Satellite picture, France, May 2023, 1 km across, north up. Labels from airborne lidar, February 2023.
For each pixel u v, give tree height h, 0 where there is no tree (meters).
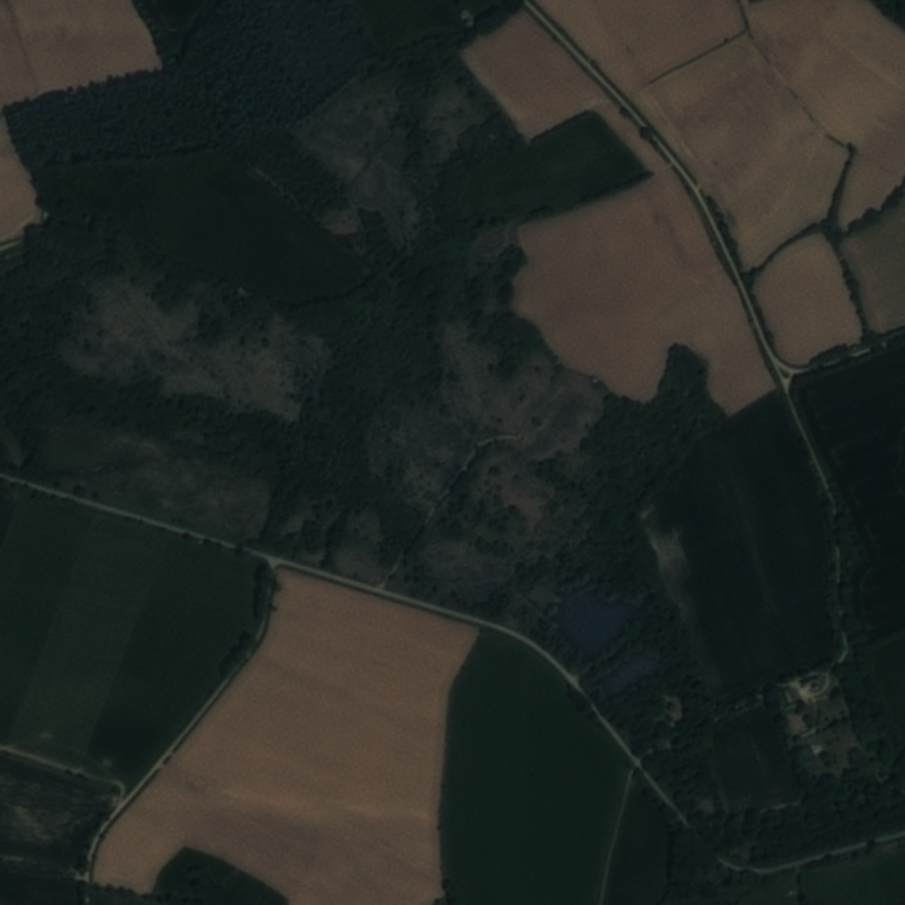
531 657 0
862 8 0
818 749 0
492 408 0
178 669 0
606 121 0
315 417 9
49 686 0
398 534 10
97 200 0
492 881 0
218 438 6
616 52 0
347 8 18
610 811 0
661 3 0
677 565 0
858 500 0
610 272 0
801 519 0
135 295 0
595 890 0
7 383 8
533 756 0
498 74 0
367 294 9
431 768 0
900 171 0
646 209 0
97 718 0
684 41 0
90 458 0
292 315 9
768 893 0
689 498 0
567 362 0
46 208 15
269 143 5
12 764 0
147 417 0
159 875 0
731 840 10
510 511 7
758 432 0
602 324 0
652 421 10
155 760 0
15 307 13
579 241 0
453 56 6
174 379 0
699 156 0
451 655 0
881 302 0
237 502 0
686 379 9
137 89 23
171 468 0
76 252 7
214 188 0
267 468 0
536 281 0
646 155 0
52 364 13
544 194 0
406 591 0
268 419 7
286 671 0
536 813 0
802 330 0
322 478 14
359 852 0
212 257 0
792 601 0
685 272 0
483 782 0
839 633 6
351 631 0
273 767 0
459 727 0
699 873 9
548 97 0
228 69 21
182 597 0
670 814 14
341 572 0
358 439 6
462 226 10
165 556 0
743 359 0
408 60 6
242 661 14
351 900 0
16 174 0
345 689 0
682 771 14
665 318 0
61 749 0
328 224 0
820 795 14
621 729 15
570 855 0
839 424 0
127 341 0
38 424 9
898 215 0
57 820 0
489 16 15
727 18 0
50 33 0
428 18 0
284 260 0
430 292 8
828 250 0
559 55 0
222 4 11
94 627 0
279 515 12
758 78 0
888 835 11
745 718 0
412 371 7
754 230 0
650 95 0
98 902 0
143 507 0
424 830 0
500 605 8
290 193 6
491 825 0
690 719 9
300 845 0
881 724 14
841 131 0
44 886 0
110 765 0
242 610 0
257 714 0
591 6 0
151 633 0
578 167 0
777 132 0
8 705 0
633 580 10
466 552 0
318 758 0
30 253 8
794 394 8
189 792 0
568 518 0
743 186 0
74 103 22
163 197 0
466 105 0
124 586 0
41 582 0
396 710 0
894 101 0
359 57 20
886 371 0
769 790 0
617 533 8
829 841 14
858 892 0
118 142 21
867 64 0
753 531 0
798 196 0
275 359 0
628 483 7
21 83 0
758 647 0
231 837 0
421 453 0
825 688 0
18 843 0
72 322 11
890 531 0
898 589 0
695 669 15
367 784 0
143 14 12
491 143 10
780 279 0
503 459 0
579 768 0
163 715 0
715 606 0
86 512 0
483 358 0
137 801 0
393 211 0
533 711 0
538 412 0
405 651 0
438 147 0
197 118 8
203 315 6
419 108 7
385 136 0
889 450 0
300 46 15
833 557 5
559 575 10
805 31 0
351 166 0
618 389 0
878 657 0
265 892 0
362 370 7
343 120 0
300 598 0
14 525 0
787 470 0
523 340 7
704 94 0
